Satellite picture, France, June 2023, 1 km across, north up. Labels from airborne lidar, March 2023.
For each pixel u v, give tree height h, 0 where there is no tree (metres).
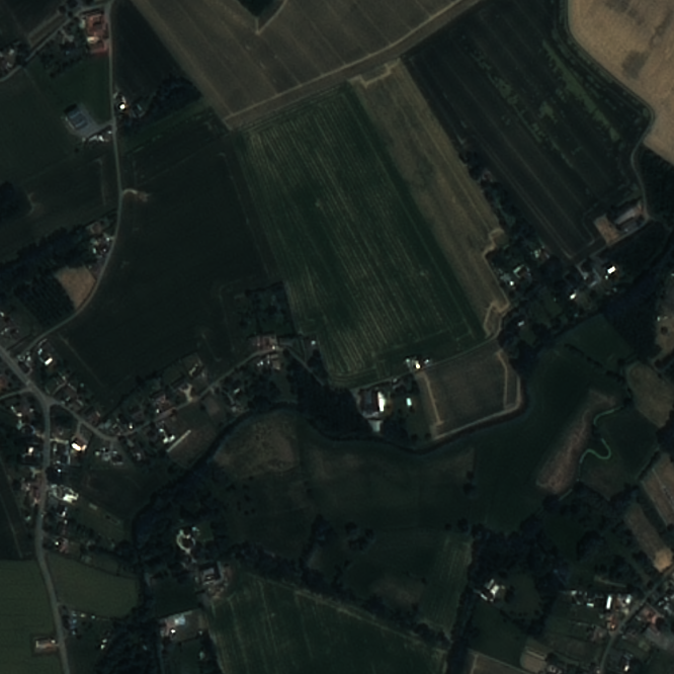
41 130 0
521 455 0
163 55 0
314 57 0
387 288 0
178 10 0
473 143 0
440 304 0
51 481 11
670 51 0
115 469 0
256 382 15
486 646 0
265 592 0
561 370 0
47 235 0
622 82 0
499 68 0
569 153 0
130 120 12
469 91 0
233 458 0
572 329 0
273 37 0
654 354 0
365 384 0
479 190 0
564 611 0
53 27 0
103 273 0
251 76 0
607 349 0
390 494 0
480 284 0
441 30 0
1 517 0
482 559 24
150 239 0
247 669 0
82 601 0
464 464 0
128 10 0
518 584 0
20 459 11
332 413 28
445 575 0
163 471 0
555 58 0
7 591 0
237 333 0
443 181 0
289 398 0
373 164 0
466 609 11
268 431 0
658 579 15
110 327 0
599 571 10
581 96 0
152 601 12
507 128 0
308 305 0
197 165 0
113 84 0
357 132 0
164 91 8
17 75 0
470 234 0
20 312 0
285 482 0
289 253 0
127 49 0
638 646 0
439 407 0
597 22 0
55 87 0
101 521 0
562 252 0
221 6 0
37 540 0
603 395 0
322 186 0
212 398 0
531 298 7
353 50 0
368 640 0
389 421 13
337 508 0
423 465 0
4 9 0
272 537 0
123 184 0
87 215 0
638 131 0
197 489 29
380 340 0
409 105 0
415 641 0
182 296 0
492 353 0
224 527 18
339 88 0
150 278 0
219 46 0
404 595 0
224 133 0
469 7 0
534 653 0
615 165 0
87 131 0
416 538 0
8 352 0
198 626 0
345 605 0
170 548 23
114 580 0
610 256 10
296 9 0
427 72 0
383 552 0
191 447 0
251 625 0
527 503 0
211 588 0
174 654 0
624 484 0
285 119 0
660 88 0
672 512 0
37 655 0
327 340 0
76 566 0
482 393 0
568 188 0
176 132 0
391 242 0
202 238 0
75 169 0
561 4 0
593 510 14
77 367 0
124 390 0
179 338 0
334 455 0
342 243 0
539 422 0
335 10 0
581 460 0
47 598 0
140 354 0
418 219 0
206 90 0
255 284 0
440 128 0
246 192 0
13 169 0
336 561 0
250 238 0
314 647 0
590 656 0
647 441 0
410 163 0
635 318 32
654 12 0
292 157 0
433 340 0
